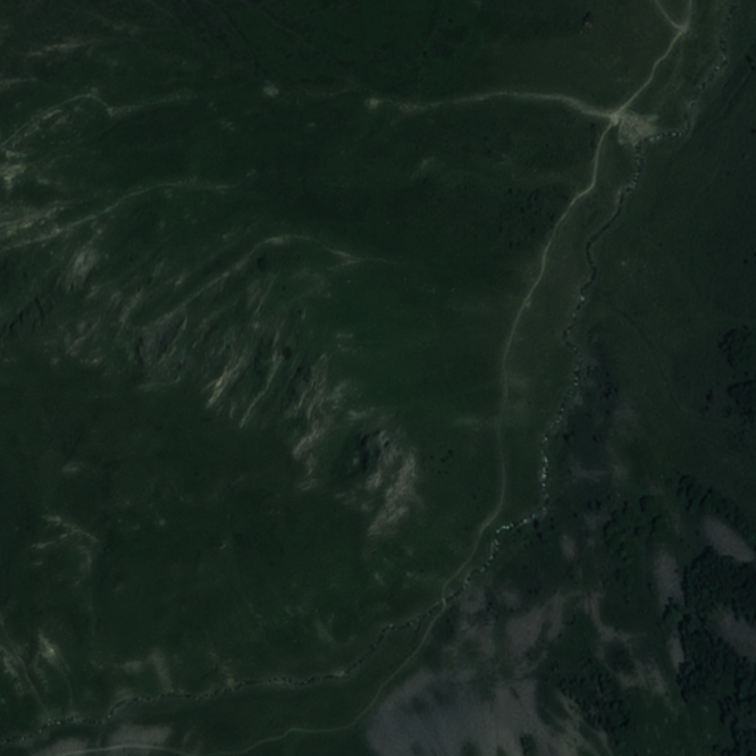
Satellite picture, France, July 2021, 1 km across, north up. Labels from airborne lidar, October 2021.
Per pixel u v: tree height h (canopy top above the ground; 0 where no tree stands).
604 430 0
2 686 0
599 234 0
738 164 0
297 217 0
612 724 14
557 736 0
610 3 0
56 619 0
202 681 0
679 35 0
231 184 0
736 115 0
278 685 0
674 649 0
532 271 0
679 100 0
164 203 0
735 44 0
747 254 0
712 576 20
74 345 0
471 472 0
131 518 0
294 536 0
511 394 0
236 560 0
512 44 0
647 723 0
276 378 0
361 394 0
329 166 0
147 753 0
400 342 0
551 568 0
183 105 0
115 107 0
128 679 0
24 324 0
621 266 0
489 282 0
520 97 0
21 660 0
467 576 0
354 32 0
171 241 0
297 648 0
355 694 0
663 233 0
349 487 0
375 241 0
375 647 0
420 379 0
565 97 0
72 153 0
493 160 0
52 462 0
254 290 0
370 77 0
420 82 0
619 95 0
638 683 0
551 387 0
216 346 0
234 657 0
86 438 0
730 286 0
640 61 0
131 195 0
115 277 0
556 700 0
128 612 0
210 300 0
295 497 0
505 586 0
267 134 0
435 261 0
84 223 0
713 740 0
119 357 0
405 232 0
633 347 0
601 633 0
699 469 0
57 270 0
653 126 0
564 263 0
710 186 0
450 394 0
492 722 0
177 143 0
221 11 0
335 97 0
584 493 0
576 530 0
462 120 0
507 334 0
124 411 0
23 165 0
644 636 0
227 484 0
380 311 0
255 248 0
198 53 0
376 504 0
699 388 0
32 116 0
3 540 0
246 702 0
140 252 0
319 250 0
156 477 0
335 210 0
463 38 0
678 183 0
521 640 0
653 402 0
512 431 0
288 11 0
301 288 0
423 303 0
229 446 0
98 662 0
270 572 0
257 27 0
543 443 0
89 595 0
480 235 0
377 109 0
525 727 0
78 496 0
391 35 0
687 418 0
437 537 0
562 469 0
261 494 0
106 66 0
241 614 0
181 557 0
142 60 0
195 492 0
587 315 0
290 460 0
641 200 0
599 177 0
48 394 0
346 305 0
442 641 0
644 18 0
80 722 0
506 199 0
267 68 0
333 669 0
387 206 0
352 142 0
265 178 0
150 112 0
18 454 0
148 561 0
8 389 0
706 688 21
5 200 0
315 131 0
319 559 0
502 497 0
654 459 0
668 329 0
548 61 0
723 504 14
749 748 14
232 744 0
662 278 0
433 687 0
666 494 0
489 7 0
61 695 0
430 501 0
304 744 0
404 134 0
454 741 0
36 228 0
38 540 0
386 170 0
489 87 0
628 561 10
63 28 0
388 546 0
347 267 0
